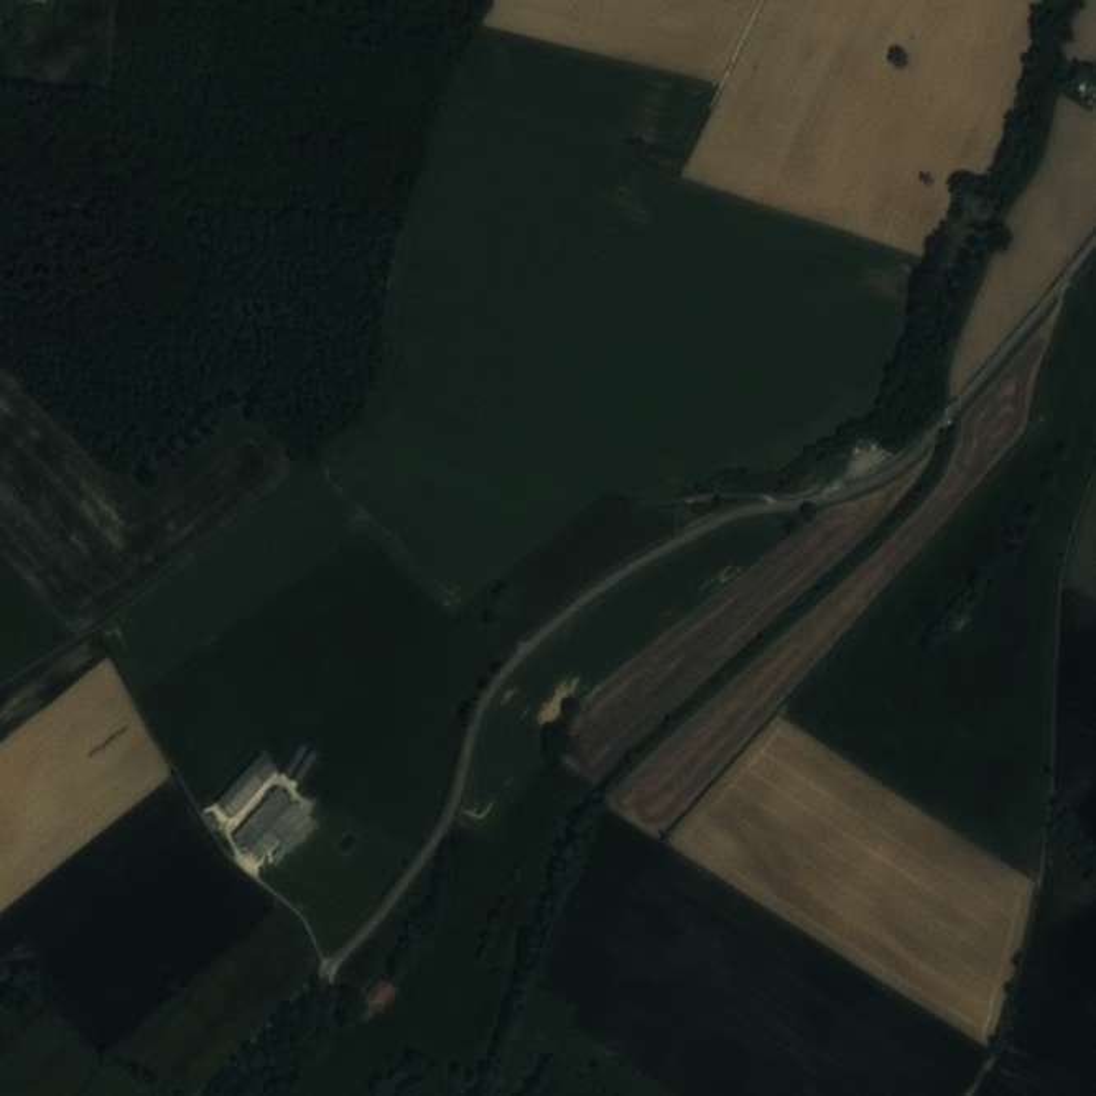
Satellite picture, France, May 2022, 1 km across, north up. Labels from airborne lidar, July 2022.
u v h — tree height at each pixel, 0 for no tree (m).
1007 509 0
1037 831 0
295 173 12
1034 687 0
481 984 0
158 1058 0
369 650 0
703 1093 0
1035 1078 0
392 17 15
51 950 0
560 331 0
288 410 20
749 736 0
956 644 0
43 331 15
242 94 12
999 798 0
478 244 0
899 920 0
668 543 0
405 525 0
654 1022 0
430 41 17
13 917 0
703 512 7
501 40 0
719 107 0
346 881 0
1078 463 0
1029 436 0
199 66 9
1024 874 0
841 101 0
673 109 0
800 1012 0
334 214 18
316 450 18
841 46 0
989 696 0
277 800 0
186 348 16
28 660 0
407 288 0
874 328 0
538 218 0
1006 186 19
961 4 0
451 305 0
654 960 0
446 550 0
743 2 0
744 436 0
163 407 17
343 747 0
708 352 0
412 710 0
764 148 0
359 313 20
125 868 0
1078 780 0
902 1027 0
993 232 21
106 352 15
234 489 0
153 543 0
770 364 0
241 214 20
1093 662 0
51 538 0
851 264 0
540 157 0
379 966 0
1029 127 20
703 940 0
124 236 21
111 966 0
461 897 0
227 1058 0
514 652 0
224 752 0
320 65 13
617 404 0
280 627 0
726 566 0
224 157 13
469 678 0
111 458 16
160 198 22
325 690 0
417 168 15
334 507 0
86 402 16
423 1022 0
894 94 0
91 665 0
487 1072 20
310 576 0
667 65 0
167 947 0
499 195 0
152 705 0
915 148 0
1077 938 0
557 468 0
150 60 9
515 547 0
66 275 23
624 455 0
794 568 0
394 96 16
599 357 0
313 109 11
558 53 0
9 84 19
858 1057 0
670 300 0
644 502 0
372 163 14
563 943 0
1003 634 0
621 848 0
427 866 0
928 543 0
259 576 0
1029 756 0
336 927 0
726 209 0
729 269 0
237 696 0
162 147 21
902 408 17
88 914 0
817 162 0
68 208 17
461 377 0
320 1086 0
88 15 5
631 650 0
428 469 0
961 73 0
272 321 15
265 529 0
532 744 0
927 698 0
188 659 0
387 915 0
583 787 0
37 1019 0
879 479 0
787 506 0
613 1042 0
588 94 0
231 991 0
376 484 0
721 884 0
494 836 0
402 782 0
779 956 0
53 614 0
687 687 0
